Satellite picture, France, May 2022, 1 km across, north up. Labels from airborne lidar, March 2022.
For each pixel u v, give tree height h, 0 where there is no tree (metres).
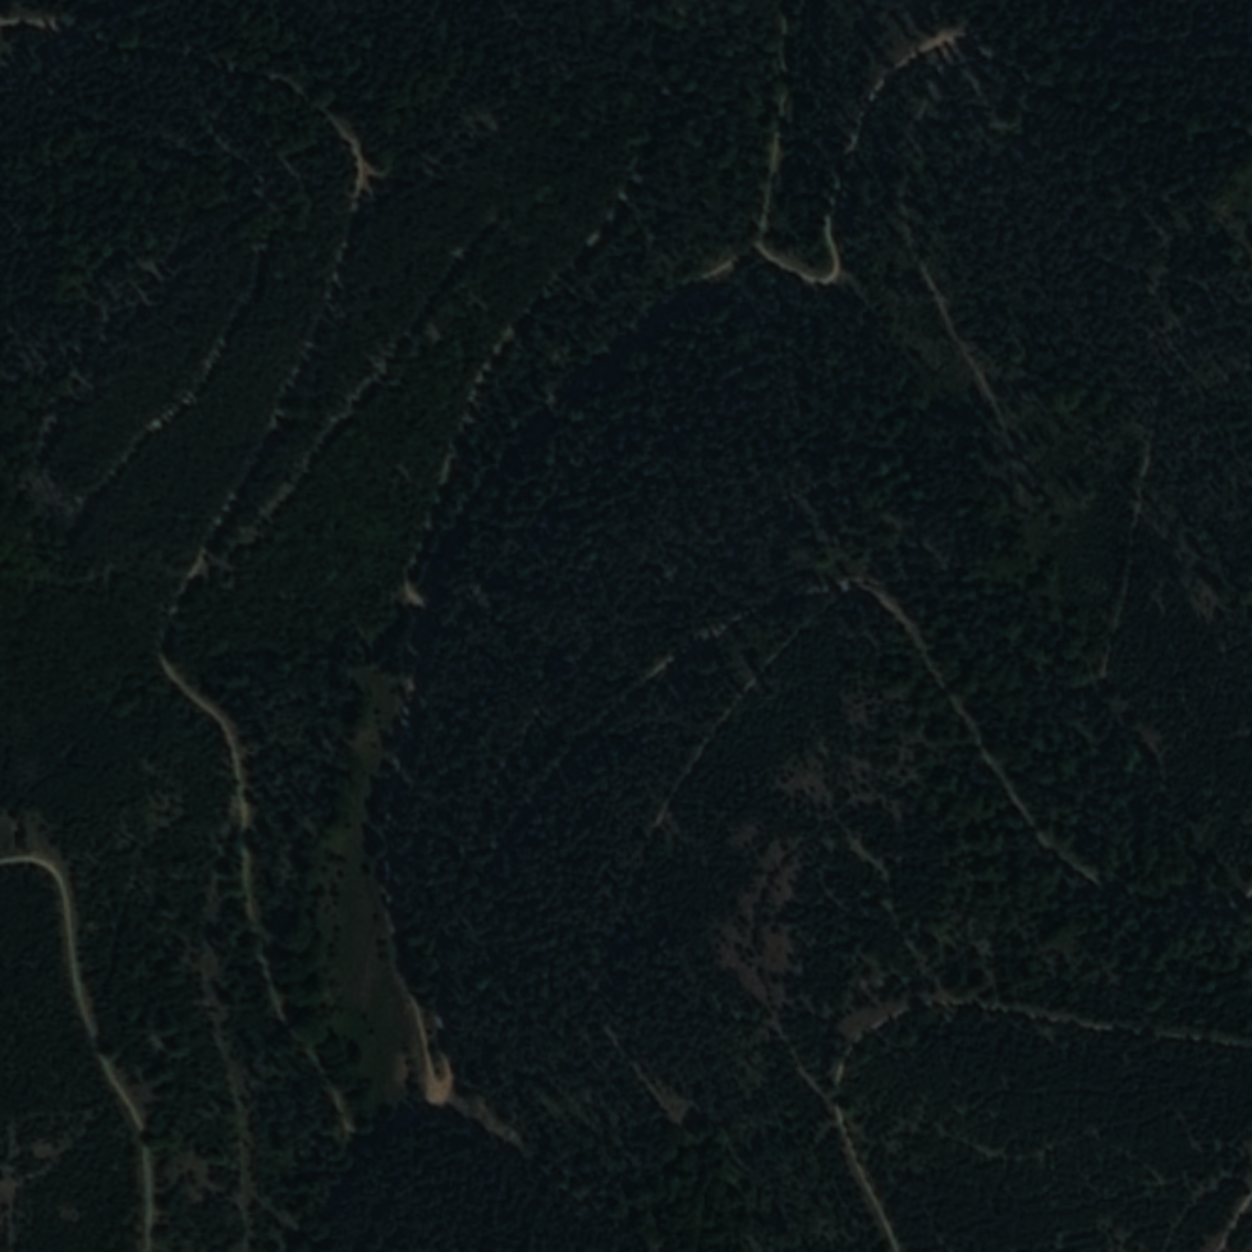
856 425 38
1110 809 21
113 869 9
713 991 9
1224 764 9
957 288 6
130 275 25
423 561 18
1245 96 30
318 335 16
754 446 33
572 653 33
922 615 27
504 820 32
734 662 9
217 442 14
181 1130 8
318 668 14
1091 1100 9
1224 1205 11
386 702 0
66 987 10
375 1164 23
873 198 27
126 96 28
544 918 34
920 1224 12
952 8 30
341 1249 23
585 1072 28
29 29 13
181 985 9
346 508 7
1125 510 8
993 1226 11
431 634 40
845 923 14
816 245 26
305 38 35
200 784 14
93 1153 7
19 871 6
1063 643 32
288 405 19
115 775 11
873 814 9
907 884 12
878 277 19
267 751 6
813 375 9
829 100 32
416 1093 16
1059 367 12
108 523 19
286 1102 7
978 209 32
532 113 21
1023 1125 9
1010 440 0
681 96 42
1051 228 26
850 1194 10
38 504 19
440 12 32
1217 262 9
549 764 17
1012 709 34
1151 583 7
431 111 30
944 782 26
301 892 19
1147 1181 7
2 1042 8
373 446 9
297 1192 9
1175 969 11
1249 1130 9
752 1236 7
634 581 29
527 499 36
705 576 33
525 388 12
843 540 32
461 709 37
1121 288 31
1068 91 30
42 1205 7
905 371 26
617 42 33
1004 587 29
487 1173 26
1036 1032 10
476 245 21
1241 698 6
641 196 29
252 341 12
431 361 13
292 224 18
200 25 29
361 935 0
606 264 16
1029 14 31
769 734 8
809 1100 12
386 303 16
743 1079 26
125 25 30
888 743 12
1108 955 13
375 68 30
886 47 31
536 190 18
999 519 23
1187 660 9
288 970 31
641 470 32
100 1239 6
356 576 9
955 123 6
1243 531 9
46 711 11
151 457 14
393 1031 0
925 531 36
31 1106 8
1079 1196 7
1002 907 16
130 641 14
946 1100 10
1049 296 29
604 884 31
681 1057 25
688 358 7
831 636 7
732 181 32
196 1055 10
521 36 29
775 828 8
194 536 13
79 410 19
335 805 33
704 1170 30
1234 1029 12
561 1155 31
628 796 30
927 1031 9
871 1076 5
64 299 25
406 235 16
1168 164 34
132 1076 6
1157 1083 11
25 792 12
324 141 19
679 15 35
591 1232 21
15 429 25
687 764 7
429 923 34
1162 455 29
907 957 7
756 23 30
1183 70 31
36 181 26
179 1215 8
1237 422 13
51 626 12
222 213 28
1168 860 30
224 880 8
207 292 21
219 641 12
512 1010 26
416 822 34
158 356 15
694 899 10
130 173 29
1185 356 24
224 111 27
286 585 10
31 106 27
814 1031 12
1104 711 30
